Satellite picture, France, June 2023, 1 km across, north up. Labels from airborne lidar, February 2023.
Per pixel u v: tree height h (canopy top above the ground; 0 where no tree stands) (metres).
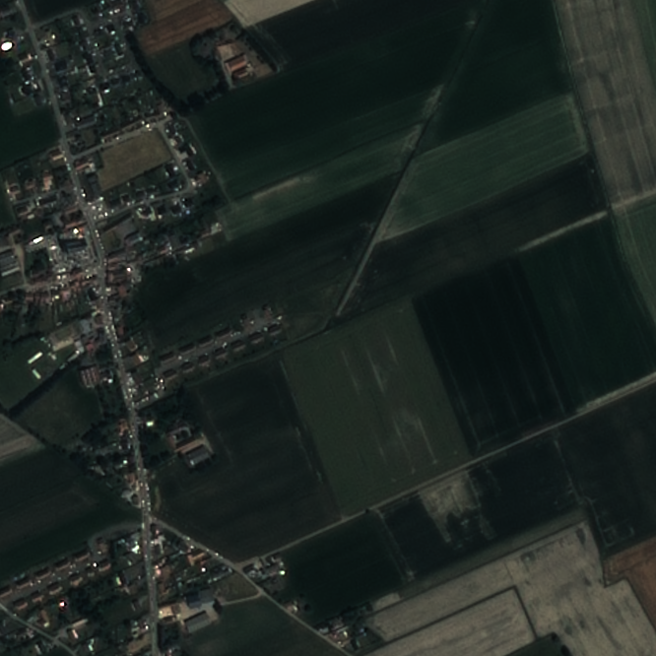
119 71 0
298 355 0
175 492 0
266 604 0
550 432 0
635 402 0
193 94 0
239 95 0
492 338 0
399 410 0
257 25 0
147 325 0
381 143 0
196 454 0
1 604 0
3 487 0
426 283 0
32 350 0
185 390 11
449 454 0
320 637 0
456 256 0
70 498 0
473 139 0
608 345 0
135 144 0
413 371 0
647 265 0
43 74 0
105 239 0
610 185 0
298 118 0
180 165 0
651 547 0
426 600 0
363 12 0
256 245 0
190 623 0
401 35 0
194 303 0
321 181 0
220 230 0
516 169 0
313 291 0
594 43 0
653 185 0
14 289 0
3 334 0
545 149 0
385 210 0
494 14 0
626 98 0
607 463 0
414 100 0
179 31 0
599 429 0
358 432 0
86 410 0
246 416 0
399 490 0
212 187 0
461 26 0
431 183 0
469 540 0
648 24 0
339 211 0
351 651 0
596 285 0
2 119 0
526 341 0
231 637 0
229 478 0
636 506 0
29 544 0
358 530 0
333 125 0
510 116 0
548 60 0
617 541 0
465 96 0
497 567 0
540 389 0
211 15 0
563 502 0
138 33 0
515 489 0
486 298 0
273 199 0
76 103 7
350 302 0
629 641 0
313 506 0
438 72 0
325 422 0
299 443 0
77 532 0
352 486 0
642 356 0
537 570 0
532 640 0
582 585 0
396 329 0
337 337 0
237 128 0
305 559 0
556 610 0
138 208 0
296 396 0
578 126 0
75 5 0
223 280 0
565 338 0
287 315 0
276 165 0
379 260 0
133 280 0
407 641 0
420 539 0
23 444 0
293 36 0
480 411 0
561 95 0
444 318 0
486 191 0
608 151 0
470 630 0
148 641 0
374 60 0
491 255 0
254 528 0
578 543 0
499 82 0
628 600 0
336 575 0
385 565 0
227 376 0
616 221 0
